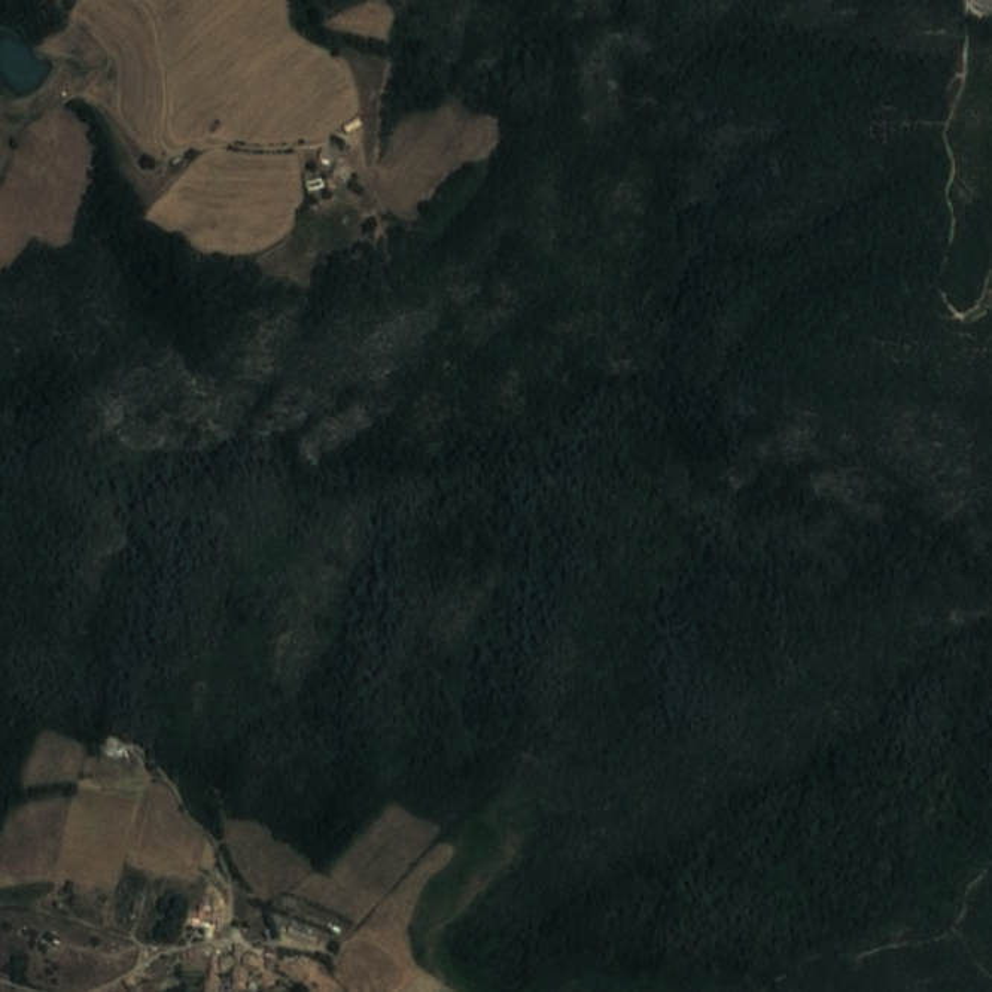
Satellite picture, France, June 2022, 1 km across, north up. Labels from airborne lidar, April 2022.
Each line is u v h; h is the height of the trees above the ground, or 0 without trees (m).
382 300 6
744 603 13
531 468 14
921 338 8
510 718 8
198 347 10
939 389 7
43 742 0
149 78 0
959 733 14
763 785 14
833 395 9
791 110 8
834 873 12
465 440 12
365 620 8
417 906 0
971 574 12
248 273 8
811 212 8
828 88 11
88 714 16
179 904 14
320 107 0
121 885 0
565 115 9
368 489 9
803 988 7
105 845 0
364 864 0
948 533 12
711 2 7
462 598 7
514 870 7
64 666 10
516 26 7
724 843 14
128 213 10
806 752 7
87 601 6
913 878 5
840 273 12
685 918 11
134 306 12
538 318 11
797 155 8
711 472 6
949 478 6
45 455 8
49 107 0
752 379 8
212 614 7
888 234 8
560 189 6
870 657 9
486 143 0
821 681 10
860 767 7
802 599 9
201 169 0
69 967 0
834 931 10
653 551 7
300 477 10
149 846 0
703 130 7
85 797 0
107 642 10
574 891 12
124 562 11
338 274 6
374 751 7
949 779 11
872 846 11
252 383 6
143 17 0
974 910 6
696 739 6
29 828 0
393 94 6
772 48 9
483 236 6
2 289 9
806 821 13
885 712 7
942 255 9
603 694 7
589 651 7
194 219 0
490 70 6
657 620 6
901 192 7
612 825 9
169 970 0
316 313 12
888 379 8
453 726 7
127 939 0
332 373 6
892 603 11
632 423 10
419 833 0
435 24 7
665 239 12
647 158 8
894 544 9
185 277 11
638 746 7
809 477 8
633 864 15
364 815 6
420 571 16
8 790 9
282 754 10
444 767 11
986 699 6
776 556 11
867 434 8
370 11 0
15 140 9
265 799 9
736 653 13
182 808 6
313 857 7
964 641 10
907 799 12
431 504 10
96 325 7
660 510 9
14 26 14
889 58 9
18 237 0
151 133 0
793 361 10
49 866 0
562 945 9
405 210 0
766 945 9
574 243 6
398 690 8
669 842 11
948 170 6
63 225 0
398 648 12
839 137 7
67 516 8
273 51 0
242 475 16
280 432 10
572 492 15
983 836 6
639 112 12
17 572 15
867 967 6
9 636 11
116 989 0
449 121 0
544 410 15
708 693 15
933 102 9
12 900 0
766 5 11
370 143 0
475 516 12
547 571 7
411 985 0
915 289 6
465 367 11
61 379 17
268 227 0
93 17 0
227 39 0
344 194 0
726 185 8
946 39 0
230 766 14
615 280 8
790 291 14
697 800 8
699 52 8
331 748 6
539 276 8
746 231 8
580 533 9
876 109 8
